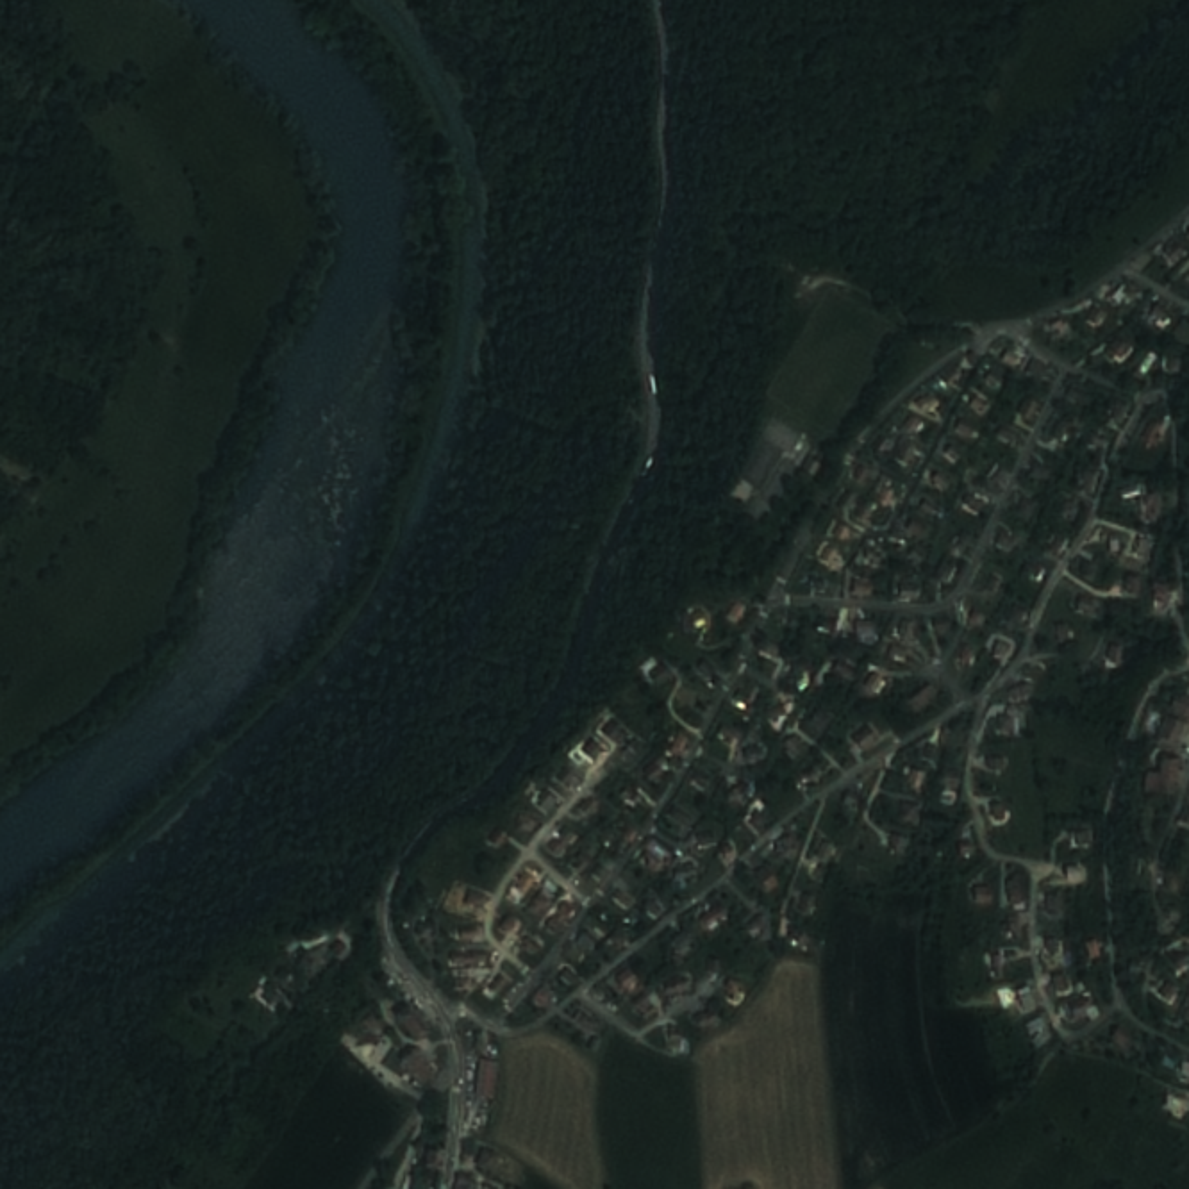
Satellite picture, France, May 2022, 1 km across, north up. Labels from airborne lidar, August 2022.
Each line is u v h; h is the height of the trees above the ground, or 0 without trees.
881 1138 0
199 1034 0
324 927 18
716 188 20
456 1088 0
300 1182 0
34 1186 27
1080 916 0
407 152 23
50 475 14
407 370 16
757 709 6
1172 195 0
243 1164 11
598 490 28
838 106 22
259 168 0
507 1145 0
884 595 6
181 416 0
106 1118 24
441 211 31
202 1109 9
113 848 10
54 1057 23
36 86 20
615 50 11
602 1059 0
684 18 13
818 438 0
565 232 17
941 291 0
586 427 20
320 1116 0
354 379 0
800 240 20
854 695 9
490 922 0
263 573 0
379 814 29
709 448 22
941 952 9
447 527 26
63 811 0
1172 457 10
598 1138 0
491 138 15
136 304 16
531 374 22
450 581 24
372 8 0
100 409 22
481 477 21
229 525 0
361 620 0
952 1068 0
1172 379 11
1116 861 17
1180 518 16
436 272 23
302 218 0
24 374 16
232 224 0
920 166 18
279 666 27
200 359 0
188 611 17
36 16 26
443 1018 0
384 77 22
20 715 0
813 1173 0
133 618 0
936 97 20
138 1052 25
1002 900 0
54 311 17
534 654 25
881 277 21
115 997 24
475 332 0
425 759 28
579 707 19
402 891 8
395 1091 0
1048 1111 0
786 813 0
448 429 0
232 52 12
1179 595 0
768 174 19
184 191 0
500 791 21
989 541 0
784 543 12
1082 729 12
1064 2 0
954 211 27
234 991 0
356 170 0
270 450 0
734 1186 0
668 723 7
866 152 21
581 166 12
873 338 0
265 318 0
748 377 24
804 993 0
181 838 18
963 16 23
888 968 0
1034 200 34
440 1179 6
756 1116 0
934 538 6
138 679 12
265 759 13
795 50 22
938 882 10
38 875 15
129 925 22
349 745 18
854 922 0
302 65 0
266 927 12
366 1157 0
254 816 24
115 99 14
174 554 0
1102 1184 0
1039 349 0
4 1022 23
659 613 16
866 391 11
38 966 22
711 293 27
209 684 0
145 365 0
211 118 0
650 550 23
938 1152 0
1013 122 0
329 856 35
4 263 13
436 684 31
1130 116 24
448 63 32
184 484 0
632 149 14
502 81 26
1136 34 0
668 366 17
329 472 0
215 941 26
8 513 19
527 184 21
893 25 18
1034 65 0
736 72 19
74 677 0
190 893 22
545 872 0
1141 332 10
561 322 26
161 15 0
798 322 0
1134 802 19
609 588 21
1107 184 21
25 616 0
